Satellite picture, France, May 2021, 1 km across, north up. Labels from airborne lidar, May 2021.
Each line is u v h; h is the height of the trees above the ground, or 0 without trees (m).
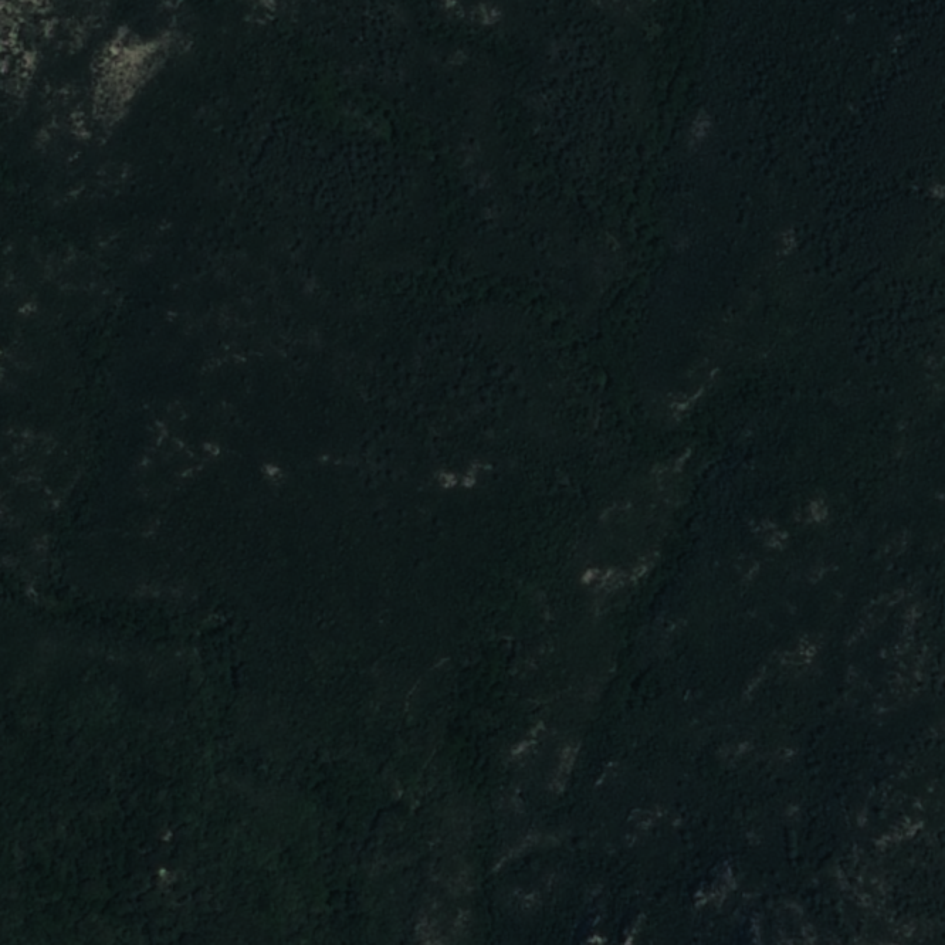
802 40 7
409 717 10
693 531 9
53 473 6
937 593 10
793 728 7
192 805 8
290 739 6
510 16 6
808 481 8
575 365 8
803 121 7
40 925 20
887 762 14
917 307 16
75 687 7
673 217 6
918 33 15
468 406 8
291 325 10
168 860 12
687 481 8
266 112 8
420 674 7
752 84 8
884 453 7
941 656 10
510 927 7
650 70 7
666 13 11
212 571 7
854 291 12
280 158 19
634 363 7
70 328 13
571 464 10
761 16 8
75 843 13
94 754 9
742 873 14
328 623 8
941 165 6
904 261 15
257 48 12
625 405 16
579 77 14
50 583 7
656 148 16
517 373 15
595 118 18
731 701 6
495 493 6
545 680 11
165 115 8
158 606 12
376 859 7
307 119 6
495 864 6
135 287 6
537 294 18
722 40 7
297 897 11
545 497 7
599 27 16
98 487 10
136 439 5
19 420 6
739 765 8
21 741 14
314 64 13
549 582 11
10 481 6
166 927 8
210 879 14
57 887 15
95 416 14
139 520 6
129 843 13
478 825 9
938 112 16
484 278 11
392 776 15
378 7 13
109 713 8
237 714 7
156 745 7
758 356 6
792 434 7
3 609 9
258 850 14
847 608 6
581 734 7
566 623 6
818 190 11
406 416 13
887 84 11
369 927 16
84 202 6
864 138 17
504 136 12
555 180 11
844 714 6
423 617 6
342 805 22
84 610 16
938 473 6
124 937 12
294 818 7
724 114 6
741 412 13
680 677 6
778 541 7
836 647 8
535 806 7
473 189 12
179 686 10
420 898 10
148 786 13
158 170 5
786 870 6
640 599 13
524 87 7
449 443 11
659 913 8
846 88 11
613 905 7
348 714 8
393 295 11
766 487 6
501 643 10
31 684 9
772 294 7
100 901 12
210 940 13
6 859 11
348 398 6
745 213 15
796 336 8
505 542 11
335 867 16
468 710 16
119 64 0
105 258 9
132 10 10
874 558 16
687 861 6
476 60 6
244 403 7
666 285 6
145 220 8
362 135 9
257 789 6
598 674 6
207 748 21
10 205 7
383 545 7
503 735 12
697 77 14
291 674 7
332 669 8
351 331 8
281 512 6
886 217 17
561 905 8
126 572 6
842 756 10
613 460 9
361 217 16
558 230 6
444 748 7
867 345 14
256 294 7
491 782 19
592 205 21
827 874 6
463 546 6
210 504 7
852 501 7
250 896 11
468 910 6
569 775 7
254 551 6
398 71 12
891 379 7
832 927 6
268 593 6
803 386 5
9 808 14
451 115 6
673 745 8
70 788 10
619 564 5
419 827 11
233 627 17
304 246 14
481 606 12
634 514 6
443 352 13
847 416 8
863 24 6
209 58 9
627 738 6
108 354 6
